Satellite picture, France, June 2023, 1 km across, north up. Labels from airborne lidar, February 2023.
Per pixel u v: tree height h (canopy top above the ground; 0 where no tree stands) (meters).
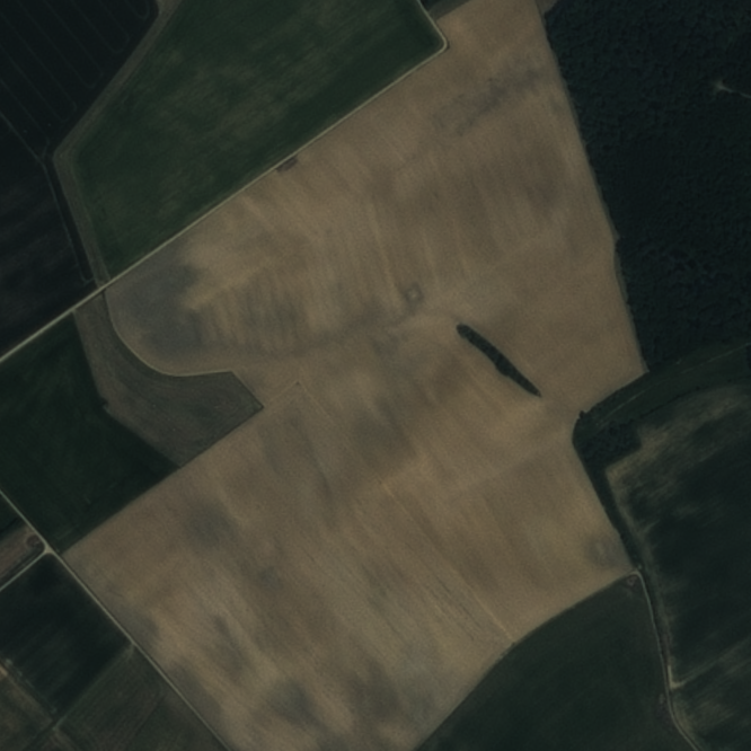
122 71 0
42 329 0
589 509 0
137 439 0
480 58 0
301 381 0
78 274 0
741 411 0
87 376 0
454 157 0
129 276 0
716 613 0
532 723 0
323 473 0
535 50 0
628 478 0
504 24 0
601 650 0
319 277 0
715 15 29
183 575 0
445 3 0
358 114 0
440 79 0
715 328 31
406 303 0
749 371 0
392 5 0
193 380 0
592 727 0
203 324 0
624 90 31
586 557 0
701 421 0
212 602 0
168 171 0
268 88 0
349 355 0
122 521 0
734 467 0
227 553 0
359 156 0
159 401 0
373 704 0
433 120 0
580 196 0
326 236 0
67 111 0
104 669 0
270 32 0
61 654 0
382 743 0
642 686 0
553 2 0
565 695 0
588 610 0
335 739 0
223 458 0
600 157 13
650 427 0
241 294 0
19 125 0
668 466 0
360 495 0
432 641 0
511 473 0
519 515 0
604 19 26
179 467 0
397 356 0
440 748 0
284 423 0
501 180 0
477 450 0
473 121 0
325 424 0
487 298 0
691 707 0
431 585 0
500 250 0
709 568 0
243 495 0
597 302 0
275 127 0
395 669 0
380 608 0
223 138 0
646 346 15
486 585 0
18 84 0
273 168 0
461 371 0
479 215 0
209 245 0
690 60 29
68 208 0
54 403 0
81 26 0
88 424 0
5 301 0
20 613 0
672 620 0
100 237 0
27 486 0
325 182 0
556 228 0
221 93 0
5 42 0
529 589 0
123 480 0
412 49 0
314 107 0
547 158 0
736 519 0
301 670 0
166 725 0
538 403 0
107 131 0
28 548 0
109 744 0
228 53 0
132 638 0
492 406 0
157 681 0
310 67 0
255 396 0
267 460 0
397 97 0
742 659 0
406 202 0
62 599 0
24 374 0
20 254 0
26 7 0
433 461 0
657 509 0
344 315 0
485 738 0
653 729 0
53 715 0
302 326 0
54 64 0
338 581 0
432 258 0
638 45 25
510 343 0
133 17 0
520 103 0
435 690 0
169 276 0
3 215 0
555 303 0
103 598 0
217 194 0
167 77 0
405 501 0
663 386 0
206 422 0
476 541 0
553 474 0
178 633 0
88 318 0
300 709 0
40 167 0
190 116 0
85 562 0
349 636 0
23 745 0
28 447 0
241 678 0
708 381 0
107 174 0
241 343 0
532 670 0
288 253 0
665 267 26
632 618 0
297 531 0
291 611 0
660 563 0
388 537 0
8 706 0
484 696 0
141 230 0
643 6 26
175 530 0
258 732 0
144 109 0
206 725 0
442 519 0
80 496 0
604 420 0
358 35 0
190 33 0
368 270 0
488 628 0
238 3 0
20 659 0
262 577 0
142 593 0
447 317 0
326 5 0
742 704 0
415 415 0
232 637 0
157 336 0
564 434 0
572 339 0
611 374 0
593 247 0
